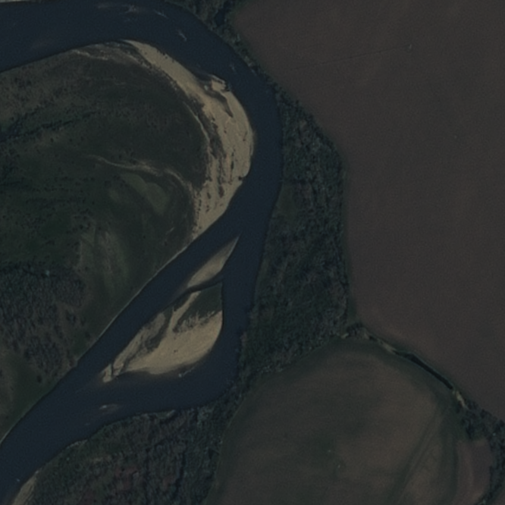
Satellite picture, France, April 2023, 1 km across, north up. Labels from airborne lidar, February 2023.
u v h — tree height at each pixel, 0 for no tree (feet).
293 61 0
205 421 20
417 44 0
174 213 0
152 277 0
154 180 0
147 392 0
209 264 0
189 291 0
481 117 0
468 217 0
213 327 0
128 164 0
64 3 0
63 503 64
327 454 0
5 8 0
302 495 0
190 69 0
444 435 0
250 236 0
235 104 0
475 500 0
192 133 0
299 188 85
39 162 0
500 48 0
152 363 0
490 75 0
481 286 0
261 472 0
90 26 0
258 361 38
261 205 0
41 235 0
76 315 0
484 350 0
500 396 0
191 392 0
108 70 0
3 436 0
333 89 0
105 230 0
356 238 0
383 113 0
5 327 55
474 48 0
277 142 0
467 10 0
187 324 0
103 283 0
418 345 0
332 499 0
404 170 0
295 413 0
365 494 0
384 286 0
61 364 82
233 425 0
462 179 0
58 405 0
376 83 0
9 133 0
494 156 0
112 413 0
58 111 0
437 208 0
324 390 0
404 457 0
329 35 0
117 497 35
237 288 0
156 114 0
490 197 0
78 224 0
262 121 0
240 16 0
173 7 0
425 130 0
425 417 0
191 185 0
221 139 0
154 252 0
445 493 0
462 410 53
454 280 0
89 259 0
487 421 74
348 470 0
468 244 0
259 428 0
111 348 0
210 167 0
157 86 0
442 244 0
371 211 0
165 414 0
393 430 0
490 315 0
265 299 40
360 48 0
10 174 30
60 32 0
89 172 0
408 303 0
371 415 0
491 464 0
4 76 0
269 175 0
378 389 0
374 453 0
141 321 0
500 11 0
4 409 0
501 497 0
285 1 0
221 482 0
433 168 0
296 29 0
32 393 0
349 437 0
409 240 0
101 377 0
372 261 0
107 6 0
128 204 0
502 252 0
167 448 70
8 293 78
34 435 0
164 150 0
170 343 0
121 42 0
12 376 0
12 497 0
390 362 0
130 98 0
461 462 0
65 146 0
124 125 0
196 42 0
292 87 0
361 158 0
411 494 0
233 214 0
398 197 0
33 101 0
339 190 37
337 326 50
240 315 0
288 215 0
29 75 0
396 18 0
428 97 0
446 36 0
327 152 20
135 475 18
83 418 0
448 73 0
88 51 0
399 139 0
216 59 0
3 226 0
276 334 32
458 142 0
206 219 0
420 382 0
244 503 0
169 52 0
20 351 77
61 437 0
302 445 0
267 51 0
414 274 0
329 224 37
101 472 67
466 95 0
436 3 0
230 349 0
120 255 0
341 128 0
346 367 0
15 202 0
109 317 0
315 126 57
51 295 92
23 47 0
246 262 0
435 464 0
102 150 0
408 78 0
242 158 0
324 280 49
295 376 0
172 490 33
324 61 0
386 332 0
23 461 0
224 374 0
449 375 0
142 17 0
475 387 0
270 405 0
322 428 0
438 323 0
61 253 0
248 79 0
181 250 0
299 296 52
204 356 0
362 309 0
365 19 0
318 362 0
